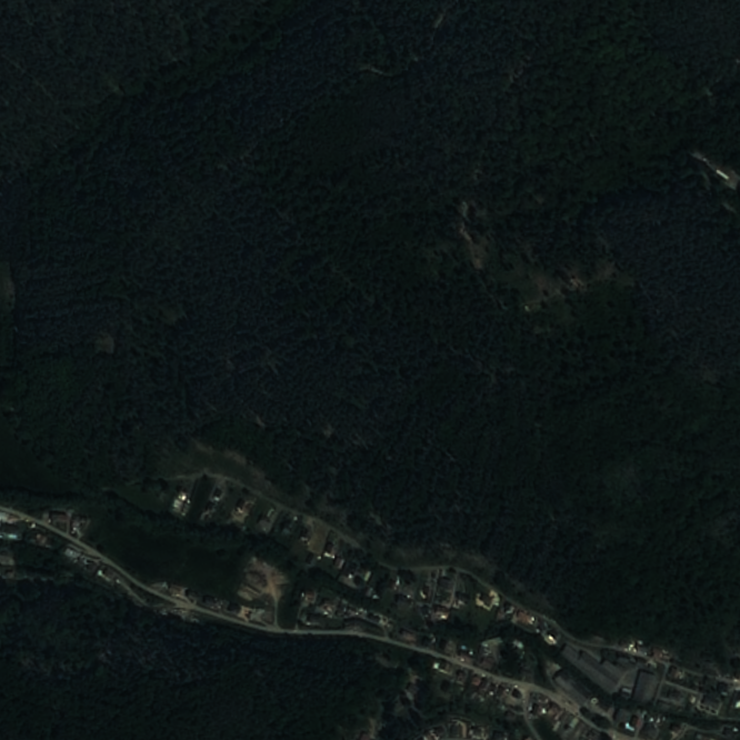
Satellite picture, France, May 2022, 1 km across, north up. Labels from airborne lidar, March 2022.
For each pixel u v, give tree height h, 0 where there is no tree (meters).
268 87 21
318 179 25
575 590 26
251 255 27
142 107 35
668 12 14
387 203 20
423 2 21
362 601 15
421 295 20
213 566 0
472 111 6
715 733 0
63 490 0
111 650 34
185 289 31
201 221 31
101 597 11
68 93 26
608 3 23
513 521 24
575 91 26
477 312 17
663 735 0
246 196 31
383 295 19
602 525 14
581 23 22
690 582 16
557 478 23
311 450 22
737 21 15
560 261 27
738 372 22
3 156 32
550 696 0
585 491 17
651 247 31
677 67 27
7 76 29
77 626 20
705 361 25
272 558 30
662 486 25
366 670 15
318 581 19
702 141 15
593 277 19
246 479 0
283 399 31
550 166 26
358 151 7
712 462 24
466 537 30
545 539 25
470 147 21
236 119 28
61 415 12
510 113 22
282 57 25
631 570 16
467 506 19
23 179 29
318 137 9
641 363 19
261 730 16
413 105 24
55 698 23
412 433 23
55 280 28
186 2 27
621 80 24
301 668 20
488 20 21
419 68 6
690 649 10
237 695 17
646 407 17
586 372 20
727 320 29
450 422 18
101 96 21
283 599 0
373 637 0
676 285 27
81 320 25
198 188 27
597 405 15
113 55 26
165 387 32
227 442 16
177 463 0
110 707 23
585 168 24
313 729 24
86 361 23
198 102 24
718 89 6
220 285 31
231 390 26
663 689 0
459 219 23
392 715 16
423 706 18
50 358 18
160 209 28
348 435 25
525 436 19
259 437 13
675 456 8
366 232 23
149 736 20
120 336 23
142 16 6
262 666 23
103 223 26
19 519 0
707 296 25
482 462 17
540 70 22
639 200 30
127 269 23
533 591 19
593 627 13
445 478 25
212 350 27
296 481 19
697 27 19
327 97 17
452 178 24
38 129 27
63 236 17
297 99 24
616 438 16
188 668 28
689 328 22
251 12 8
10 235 36
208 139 23
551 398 14
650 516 15
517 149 22
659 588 19
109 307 27
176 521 19
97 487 20
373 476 16
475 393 24
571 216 8
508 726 10
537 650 8
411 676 16
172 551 0
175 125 26
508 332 21
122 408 26
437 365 21
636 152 7
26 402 14
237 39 25
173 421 26
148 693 21
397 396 28
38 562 9
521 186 24
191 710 20
